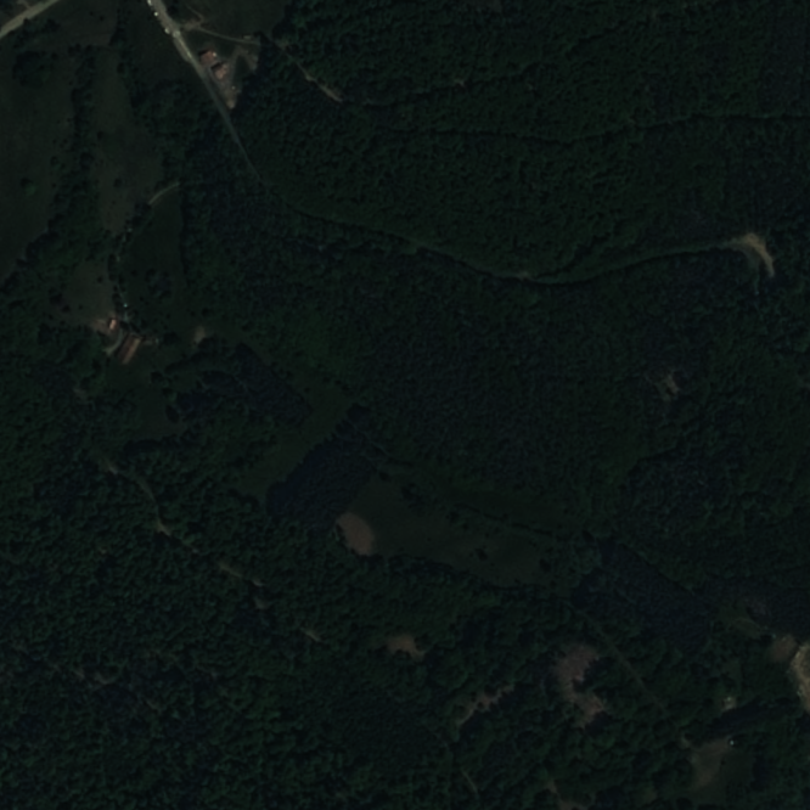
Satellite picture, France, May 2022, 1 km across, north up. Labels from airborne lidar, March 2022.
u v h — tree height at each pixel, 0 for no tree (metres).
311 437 0
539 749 27
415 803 30
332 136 24
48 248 20
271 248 26
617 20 22
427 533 0
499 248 23
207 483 30
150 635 26
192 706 12
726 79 23
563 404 22
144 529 26
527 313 27
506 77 13
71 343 8
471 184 25
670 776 24
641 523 15
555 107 22
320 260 30
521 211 27
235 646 28
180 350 0
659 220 26
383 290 31
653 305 26
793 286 30
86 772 7
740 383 27
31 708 11
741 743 14
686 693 9
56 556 25
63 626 25
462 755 28
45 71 14
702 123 24
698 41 26
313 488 28
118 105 0
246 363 29
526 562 0
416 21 20
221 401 22
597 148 26
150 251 0
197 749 33
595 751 26
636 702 18
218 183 25
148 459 28
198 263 25
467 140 23
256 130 20
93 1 0
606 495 24
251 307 31
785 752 19
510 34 20
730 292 22
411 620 27
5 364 19
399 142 22
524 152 22
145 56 0
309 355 19
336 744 12
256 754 32
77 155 7
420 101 20
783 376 26
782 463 28
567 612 24
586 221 27
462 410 24
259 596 26
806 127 24
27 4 0
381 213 23
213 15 0
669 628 37
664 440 28
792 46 26
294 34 27
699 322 33
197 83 0
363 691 23
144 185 0
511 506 0
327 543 31
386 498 0
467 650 23
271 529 27
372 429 27
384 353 25
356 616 25
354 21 21
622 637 27
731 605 33
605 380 26
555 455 26
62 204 13
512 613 29
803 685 0
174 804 8
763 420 31
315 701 17
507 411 26
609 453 30
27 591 27
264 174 18
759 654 15
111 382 0
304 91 21
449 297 25
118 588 27
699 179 25
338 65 23
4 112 0
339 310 26
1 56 0
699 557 20
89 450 18
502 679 23
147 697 34
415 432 27
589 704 0
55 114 0
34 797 22
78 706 26
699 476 26
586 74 25
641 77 23
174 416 23
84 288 0
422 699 24
